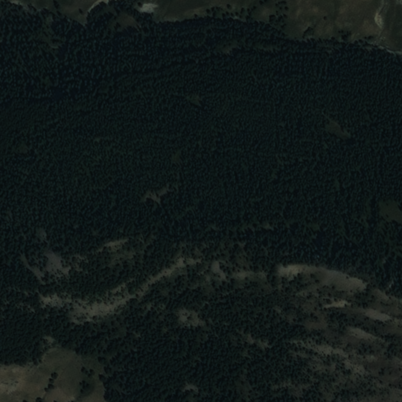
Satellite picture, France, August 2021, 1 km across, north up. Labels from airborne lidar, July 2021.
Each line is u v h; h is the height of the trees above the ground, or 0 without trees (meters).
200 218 15
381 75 20
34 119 21
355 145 24
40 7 0
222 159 18
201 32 21
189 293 10
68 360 0
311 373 11
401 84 17
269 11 0
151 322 8
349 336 0
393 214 0
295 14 0
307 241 21
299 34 0
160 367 20
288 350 10
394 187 20
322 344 9
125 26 0
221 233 8
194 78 19
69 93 9
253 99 17
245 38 27
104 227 17
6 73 25
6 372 0
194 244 9
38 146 14
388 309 0
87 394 0
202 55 20
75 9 0
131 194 13
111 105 16
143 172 12
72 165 9
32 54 28
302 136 16
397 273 24
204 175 15
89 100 18
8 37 28
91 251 11
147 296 9
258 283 9
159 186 11
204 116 17
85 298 11
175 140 10
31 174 14
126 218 15
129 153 11
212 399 12
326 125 13
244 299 6
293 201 20
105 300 9
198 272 6
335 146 17
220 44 20
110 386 19
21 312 17
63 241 15
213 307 13
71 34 23
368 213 20
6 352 20
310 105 13
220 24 22
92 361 0
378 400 0
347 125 15
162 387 17
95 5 0
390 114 23
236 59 19
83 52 21
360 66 14
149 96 13
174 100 18
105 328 13
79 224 9
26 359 20
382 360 0
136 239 8
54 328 15
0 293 12
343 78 17
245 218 11
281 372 10
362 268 7
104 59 21
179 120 10
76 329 14
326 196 15
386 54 10
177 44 22
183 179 16
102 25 24
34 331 21
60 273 6
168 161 11
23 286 16
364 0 0
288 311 9
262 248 10
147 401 18
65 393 0
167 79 19
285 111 13
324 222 18
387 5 0
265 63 20
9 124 25
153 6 0
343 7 0
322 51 10
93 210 16
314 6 0
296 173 17
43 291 14
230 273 14
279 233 19
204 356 10
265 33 22
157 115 14
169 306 11
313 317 8
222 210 13
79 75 12
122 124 14
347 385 7
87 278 13
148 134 10
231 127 13
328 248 24
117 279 14
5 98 18
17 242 16
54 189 10
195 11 0
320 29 0
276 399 11
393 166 17
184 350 17
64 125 11
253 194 17
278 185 15
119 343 23
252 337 8
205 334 6
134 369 11
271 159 15
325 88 13
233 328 11
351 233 21
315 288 0
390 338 10
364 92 19
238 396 13
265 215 17
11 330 21
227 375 13
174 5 0
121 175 11
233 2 0
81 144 14
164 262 13
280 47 17
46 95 28
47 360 0
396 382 0
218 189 11
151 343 13
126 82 22
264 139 12
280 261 9
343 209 16
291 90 11
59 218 14
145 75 19
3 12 8
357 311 0
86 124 14
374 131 18
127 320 12
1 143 20
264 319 13
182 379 12
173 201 17
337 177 18
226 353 16
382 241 17
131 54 25
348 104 22
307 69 18
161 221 20
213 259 12
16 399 0
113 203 15
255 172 16
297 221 20
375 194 18
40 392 0
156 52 25
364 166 20
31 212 14
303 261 9
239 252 11
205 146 19
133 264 0
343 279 0
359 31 0
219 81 17
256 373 15
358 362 0
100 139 13
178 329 7
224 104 15
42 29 26
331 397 0
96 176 12
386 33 0
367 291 9
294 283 12
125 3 20
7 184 19
